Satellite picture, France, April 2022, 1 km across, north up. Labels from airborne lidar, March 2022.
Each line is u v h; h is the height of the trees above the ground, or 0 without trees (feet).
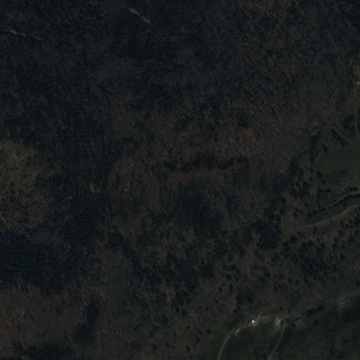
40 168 70
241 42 87
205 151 25
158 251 77
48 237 75
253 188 85
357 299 0
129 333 97
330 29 87
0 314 93
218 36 73
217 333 0
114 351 93
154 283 87
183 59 78
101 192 61
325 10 86
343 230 49
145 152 50
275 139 71
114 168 53
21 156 0
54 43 70
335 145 31
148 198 76
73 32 99
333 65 85
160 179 61
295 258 69
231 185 82
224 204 75
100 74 71
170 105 83
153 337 74
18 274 80
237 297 57
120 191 35
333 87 82
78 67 76
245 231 88
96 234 63
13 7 30
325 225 0
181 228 84
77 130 67
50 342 72
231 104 69
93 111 60
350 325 57
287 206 55
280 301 25
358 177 0
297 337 0
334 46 90
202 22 68
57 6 21
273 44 100
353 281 55
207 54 56
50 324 67
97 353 85
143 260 60
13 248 77
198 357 0
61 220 75
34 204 22
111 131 42
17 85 70
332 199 0
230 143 83
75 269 67
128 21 59
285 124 67
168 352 20
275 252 22
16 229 33
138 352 85
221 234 84
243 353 0
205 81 68
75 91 59
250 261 56
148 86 62
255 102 87
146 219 63
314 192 0
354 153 0
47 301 64
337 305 0
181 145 71
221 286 21
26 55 73
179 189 73
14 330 75
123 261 75
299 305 70
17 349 64
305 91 80
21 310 91
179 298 76
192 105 18
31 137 60
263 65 101
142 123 37
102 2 67
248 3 93
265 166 93
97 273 68
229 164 58
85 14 23
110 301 63
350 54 78
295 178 51
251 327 0
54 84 75
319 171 0
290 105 78
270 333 0
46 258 68
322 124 83
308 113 20
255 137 29
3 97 71
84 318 68
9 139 61
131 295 74
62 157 64
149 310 86
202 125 34
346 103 51
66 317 75
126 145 64
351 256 24
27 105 80
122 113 70
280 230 39
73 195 61
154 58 66
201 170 64
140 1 60
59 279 68
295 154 80
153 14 56
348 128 90
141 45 52
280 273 38
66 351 63
